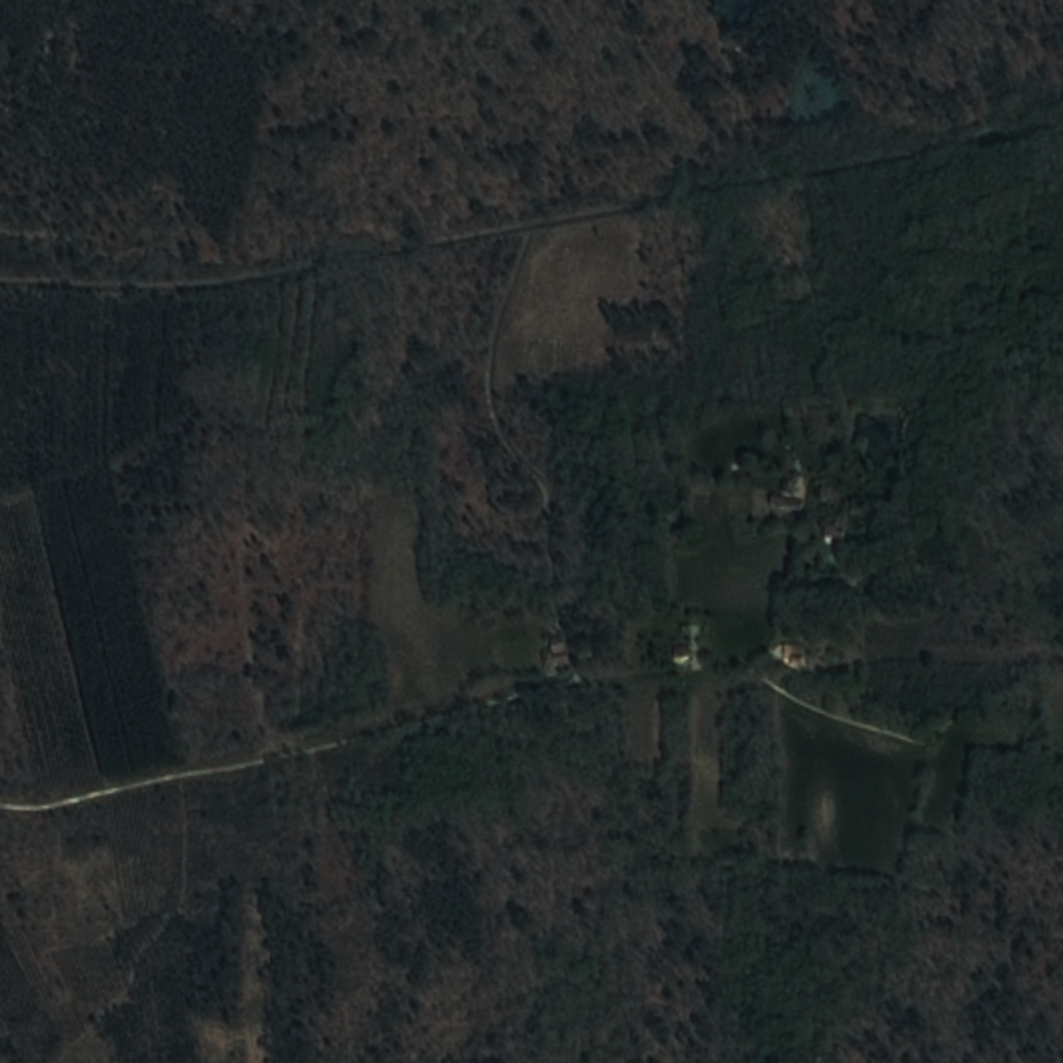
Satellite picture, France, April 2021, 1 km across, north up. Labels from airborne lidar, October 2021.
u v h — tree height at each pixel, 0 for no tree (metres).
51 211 18
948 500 21
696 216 15
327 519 21
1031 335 18
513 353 0
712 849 0
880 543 17
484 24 17
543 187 17
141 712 18
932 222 14
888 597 24
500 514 11
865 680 19
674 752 17
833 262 12
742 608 0
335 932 7
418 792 17
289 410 8
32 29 21
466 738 24
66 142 23
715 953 18
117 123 22
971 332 20
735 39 20
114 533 12
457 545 13
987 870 18
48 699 6
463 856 11
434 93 14
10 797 22
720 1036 15
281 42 17
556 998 21
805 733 0
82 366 15
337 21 8
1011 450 22
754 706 21
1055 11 27
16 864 10
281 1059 21
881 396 26
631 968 22
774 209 14
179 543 6
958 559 23
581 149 17
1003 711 25
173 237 12
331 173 10
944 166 19
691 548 9
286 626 12
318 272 18
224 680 15
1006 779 21
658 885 23
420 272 18
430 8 19
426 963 23
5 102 23
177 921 9
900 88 14
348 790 17
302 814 17
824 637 20
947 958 13
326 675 9
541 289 0
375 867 21
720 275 14
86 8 21
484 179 15
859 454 7
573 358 0
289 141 21
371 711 9
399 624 0
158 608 15
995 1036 16
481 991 10
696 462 0
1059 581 20
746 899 23
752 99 22
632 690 0
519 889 21
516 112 14
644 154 26
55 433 19
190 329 11
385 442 22
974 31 21
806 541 20
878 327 20
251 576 13
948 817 10
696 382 14
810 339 12
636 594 18
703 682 0
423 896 13
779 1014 22
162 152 19
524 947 12
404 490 24
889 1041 6
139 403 18
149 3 21
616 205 19
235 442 16
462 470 8
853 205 13
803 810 0
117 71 19
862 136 16
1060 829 12
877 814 0
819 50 22
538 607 17
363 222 14
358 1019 8
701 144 15
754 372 9
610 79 19
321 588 12
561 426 23
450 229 11
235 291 9
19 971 8
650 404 22
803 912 23
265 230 6
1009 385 22
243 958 17
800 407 14
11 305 13
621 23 8
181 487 14
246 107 24
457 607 21
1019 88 14
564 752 21
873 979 18
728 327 18
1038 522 21
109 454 15
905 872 16
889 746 0
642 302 0
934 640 8
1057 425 13
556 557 15
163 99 20
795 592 19
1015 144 16
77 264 22
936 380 25
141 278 14
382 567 0
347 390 23
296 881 6
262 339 14
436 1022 13
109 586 14
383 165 11
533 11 13
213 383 8
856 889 22
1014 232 22
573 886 10
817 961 20
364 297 22
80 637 17
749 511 0
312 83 10
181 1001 9
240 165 21
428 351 14
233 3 15
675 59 16
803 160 15
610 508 23
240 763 0
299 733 16
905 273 11
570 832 9
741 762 16
